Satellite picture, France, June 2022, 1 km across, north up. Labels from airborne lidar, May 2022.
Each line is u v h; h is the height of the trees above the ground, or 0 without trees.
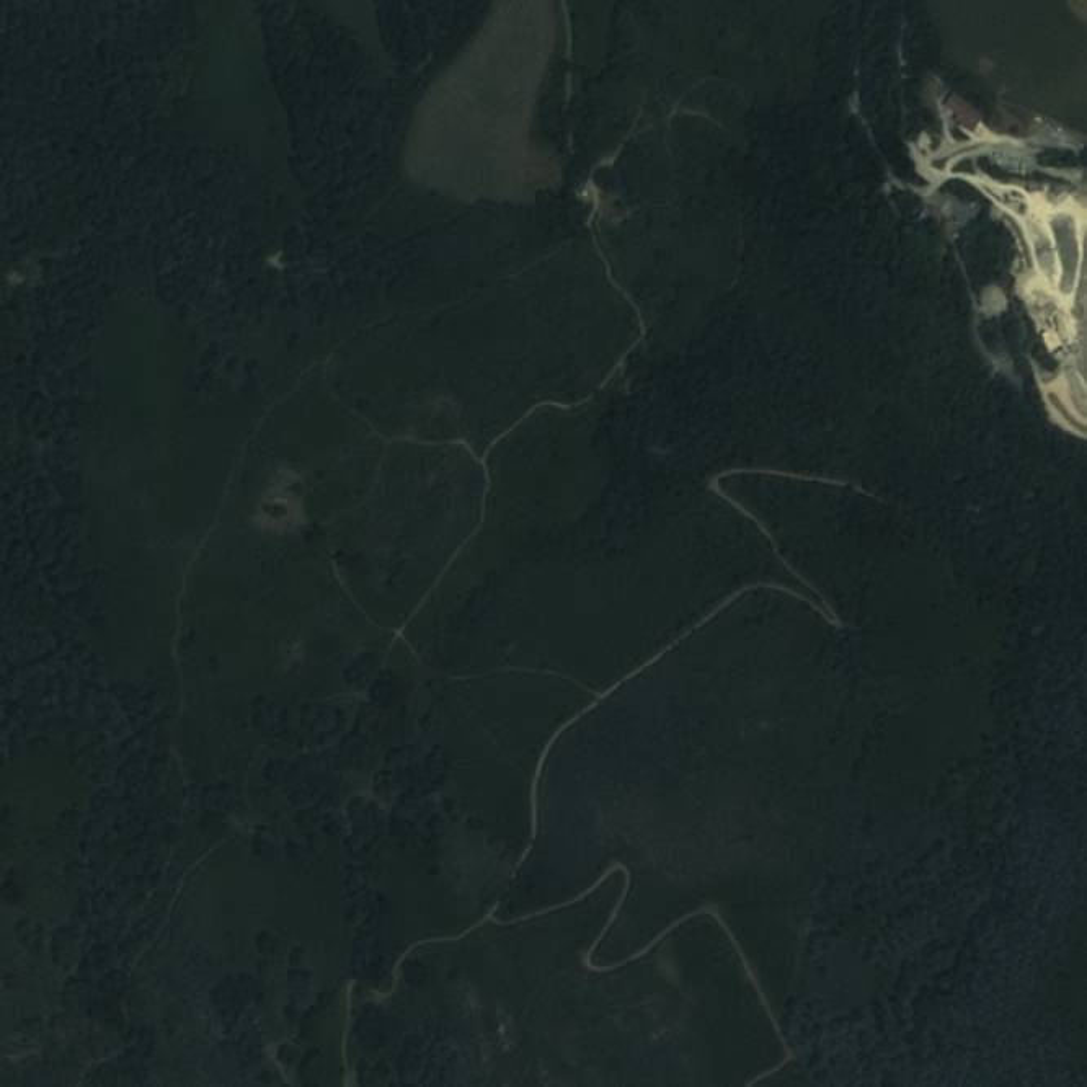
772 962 0
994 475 18
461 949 0
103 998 19
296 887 0
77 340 13
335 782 15
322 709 13
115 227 20
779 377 10
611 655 0
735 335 15
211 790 16
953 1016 28
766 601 9
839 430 5
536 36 0
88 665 18
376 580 0
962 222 0
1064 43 0
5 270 12
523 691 0
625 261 0
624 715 7
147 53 16
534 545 6
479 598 9
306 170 17
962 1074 26
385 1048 14
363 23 0
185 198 27
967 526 18
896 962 14
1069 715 28
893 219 20
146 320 0
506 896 7
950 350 13
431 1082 7
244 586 0
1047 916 28
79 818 15
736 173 11
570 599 0
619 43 12
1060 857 27
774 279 7
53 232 22
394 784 23
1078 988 0
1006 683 11
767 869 0
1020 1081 27
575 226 10
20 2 24
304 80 28
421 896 0
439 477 0
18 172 12
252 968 0
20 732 12
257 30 0
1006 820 26
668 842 0
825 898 8
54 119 17
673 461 20
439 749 10
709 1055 0
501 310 0
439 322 14
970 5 0
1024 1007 24
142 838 15
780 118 18
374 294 20
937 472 15
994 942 26
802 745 0
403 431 0
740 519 6
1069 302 0
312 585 0
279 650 0
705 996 0
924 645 0
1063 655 12
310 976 11
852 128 16
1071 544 18
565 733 0
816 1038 15
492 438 0
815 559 6
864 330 12
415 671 0
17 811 15
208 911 0
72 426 13
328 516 0
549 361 0
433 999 0
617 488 10
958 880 32
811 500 7
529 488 0
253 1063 13
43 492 20
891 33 25
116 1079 10
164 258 23
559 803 0
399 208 0
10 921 0
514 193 0
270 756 0
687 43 0
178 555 0
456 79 0
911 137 14
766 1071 0
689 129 6
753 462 8
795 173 14
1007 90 0
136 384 0
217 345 12
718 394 13
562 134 7
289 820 0
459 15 19
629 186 8
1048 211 0
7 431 46
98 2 28
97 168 21
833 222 25
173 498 0
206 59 0
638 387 9
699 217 6
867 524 17
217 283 19
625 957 0
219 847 0
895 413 9
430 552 0
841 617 6
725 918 0
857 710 0
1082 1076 24
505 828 0
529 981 0
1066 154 9
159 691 7
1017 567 17
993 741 19
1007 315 11
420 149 0
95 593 20
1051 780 7
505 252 10
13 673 31
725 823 0
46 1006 0
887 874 14
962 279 7
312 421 0
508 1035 0
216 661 9
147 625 0
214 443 0
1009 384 10
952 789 17
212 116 0
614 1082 0
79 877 17
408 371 0
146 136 19
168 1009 0
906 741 0
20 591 38
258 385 14
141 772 15
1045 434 13
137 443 0
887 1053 27
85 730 19
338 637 0
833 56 10
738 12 0
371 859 19
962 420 22
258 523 0
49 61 7
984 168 13
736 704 0
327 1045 0
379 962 19
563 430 0
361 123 13
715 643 0
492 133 0
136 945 11
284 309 11
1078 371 0
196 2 11
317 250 18
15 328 41
